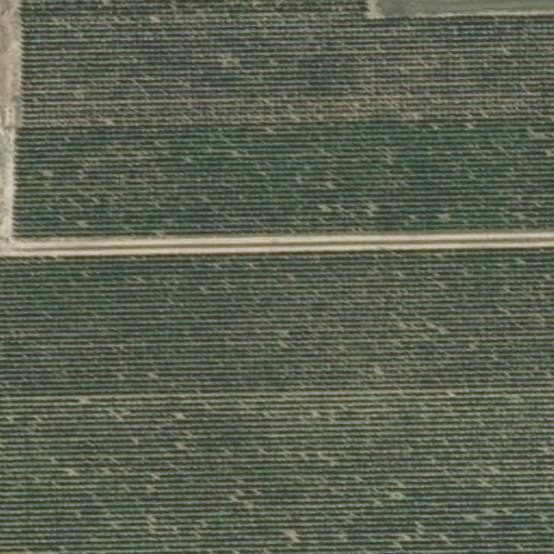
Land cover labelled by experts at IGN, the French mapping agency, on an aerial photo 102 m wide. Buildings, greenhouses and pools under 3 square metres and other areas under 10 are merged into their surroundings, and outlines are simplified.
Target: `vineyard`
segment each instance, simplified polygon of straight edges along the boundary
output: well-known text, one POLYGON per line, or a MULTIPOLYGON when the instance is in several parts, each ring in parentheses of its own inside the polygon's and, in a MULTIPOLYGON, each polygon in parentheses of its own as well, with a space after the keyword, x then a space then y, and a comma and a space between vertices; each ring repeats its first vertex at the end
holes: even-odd
POLYGON ((554 247, 63 258, 0 255, 0 554, 554 554, 554 247))
POLYGON ((554 15, 370 19, 366 13, 366 0, 19 0, 24 35, 24 117, 22 126, 17 128, 13 232, 19 240, 147 236, 158 238, 554 232, 554 15))

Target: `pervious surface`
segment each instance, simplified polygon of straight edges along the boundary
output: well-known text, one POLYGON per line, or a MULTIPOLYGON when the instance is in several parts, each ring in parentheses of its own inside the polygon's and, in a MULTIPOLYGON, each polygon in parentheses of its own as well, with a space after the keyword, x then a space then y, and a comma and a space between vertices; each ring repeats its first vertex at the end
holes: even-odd
POLYGON ((554 232, 158 238, 147 236, 19 240, 13 232, 17 128, 15 102, 11 106, 4 106, 4 115, 0 115, 0 255, 63 258, 554 247, 554 232))

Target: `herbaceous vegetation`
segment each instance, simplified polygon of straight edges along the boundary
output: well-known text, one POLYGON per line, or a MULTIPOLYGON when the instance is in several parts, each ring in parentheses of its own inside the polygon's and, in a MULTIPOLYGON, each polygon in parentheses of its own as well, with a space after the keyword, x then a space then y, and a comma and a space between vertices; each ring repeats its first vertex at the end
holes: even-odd
POLYGON ((366 0, 366 13, 370 19, 554 15, 554 0, 366 0))
POLYGON ((17 128, 22 126, 24 117, 24 35, 19 0, 0 0, 0 115, 4 115, 4 106, 11 106, 15 102, 17 128))

